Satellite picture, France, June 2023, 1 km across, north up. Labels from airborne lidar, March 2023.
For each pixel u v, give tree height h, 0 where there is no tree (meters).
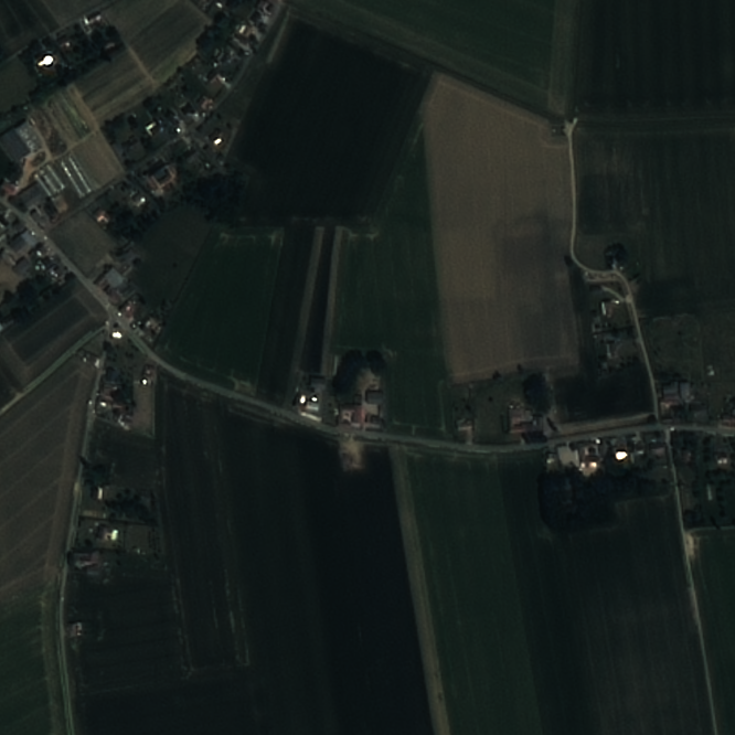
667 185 0
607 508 34
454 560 0
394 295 0
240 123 0
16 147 0
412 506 0
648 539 0
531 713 0
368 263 0
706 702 0
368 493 0
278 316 0
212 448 0
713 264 0
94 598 0
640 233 0
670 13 0
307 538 0
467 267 0
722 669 0
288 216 0
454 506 0
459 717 0
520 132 0
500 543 0
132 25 0
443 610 0
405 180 0
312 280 0
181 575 0
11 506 0
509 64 0
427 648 0
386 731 0
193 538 0
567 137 0
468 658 0
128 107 0
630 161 0
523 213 0
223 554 0
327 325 0
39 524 0
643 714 0
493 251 0
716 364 0
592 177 0
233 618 0
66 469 0
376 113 0
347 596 0
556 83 0
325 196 0
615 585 0
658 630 0
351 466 0
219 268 0
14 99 0
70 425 0
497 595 0
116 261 0
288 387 0
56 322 0
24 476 0
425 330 0
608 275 0
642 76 0
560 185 0
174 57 0
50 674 0
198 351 0
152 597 0
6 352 0
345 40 0
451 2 0
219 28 10
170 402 0
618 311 0
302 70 0
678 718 0
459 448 0
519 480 0
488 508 0
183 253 0
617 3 0
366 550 0
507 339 0
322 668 0
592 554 0
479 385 0
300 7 0
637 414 0
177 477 0
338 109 0
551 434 0
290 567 0
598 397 0
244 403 0
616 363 0
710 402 0
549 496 30
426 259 0
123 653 0
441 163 0
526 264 0
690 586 0
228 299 0
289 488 0
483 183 0
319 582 0
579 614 0
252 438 0
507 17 0
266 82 0
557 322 0
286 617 0
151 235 0
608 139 0
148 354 0
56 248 0
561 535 0
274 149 0
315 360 0
